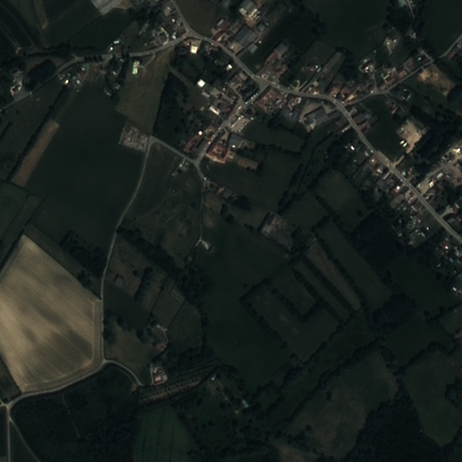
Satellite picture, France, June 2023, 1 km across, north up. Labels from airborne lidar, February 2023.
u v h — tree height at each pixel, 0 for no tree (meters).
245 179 0
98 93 0
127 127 0
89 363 0
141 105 0
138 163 0
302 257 11
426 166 19
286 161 0
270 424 6
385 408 22
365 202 11
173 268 22
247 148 10
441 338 0
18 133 0
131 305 0
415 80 0
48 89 0
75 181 0
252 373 0
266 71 0
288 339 0
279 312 0
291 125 0
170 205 0
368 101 0
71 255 10
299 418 0
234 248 0
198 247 0
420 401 0
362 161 0
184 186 0
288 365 0
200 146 0
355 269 0
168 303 0
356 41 0
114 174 0
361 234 30
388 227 11
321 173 12
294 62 6
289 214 0
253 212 0
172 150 0
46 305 0
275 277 0
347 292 0
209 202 0
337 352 0
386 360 17
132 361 0
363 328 0
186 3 0
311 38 0
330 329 0
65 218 0
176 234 0
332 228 0
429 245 11
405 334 0
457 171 0
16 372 0
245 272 0
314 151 6
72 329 0
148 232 0
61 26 0
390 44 0
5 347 0
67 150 0
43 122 7
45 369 0
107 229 0
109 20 0
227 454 18
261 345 0
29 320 0
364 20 0
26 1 0
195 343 0
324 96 0
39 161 0
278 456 8
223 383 0
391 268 0
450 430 0
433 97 0
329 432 0
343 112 0
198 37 0
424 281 0
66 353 0
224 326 0
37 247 0
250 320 0
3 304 0
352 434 0
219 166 0
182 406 13
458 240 0
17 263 0
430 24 0
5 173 0
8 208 0
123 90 0
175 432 0
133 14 7
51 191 0
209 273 0
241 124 0
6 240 0
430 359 0
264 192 0
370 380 0
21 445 0
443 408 0
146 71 0
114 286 0
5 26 0
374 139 0
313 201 0
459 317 0
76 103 0
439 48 0
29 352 0
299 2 6
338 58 0
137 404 8
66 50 16
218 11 0
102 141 0
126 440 24
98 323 0
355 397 0
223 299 0
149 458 0
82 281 19
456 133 8
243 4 0
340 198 0
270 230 0
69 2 0
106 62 0
